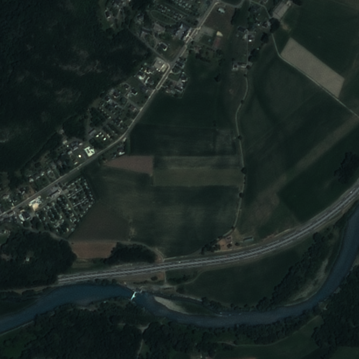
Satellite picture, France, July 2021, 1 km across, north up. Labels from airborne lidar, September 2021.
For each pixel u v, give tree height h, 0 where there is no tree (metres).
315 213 0
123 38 13
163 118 0
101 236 0
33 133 10
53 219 11
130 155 0
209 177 0
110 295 0
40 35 10
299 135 0
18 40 8
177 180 0
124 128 8
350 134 0
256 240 0
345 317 13
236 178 0
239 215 0
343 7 0
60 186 6
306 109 0
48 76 11
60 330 31
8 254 13
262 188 0
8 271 16
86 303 0
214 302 14
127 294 0
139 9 11
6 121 6
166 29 6
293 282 29
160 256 0
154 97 0
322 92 0
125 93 0
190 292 0
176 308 0
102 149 12
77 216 7
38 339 13
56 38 9
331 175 0
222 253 0
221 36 0
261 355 0
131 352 18
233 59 11
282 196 0
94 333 19
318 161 0
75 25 11
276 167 0
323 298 0
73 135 16
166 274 0
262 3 5
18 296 11
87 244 0
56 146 17
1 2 12
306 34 0
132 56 10
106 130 11
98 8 22
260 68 0
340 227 8
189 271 0
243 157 0
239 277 0
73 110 13
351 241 0
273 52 0
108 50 12
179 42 0
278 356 0
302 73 0
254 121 0
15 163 18
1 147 16
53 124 12
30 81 10
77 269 0
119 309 19
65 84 14
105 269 0
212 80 0
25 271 12
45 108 11
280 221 0
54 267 18
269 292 0
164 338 17
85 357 25
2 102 17
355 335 15
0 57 17
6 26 14
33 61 6
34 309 0
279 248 0
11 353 0
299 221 0
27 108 16
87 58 7
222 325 0
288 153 0
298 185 0
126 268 0
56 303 0
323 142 0
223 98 0
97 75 11
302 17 0
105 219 0
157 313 0
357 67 0
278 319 0
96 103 0
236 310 20
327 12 0
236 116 0
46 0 15
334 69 0
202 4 0
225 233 0
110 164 0
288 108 0
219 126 0
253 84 0
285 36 0
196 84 0
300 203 0
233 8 0
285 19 0
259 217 0
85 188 9
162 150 0
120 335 19
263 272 0
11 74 7
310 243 0
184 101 0
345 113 0
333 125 0
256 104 0
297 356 0
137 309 14
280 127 0
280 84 0
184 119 0
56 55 7
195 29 0
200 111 0
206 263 0
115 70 7
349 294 12
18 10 12
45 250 18
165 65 0
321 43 0
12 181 17
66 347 22
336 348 13
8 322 0
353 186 0
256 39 0
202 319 0
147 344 15
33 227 10
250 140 0
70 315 13
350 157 17
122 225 0
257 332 30
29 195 0
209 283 0
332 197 0
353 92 0
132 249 10
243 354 0
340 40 0
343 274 0
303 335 0
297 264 10
